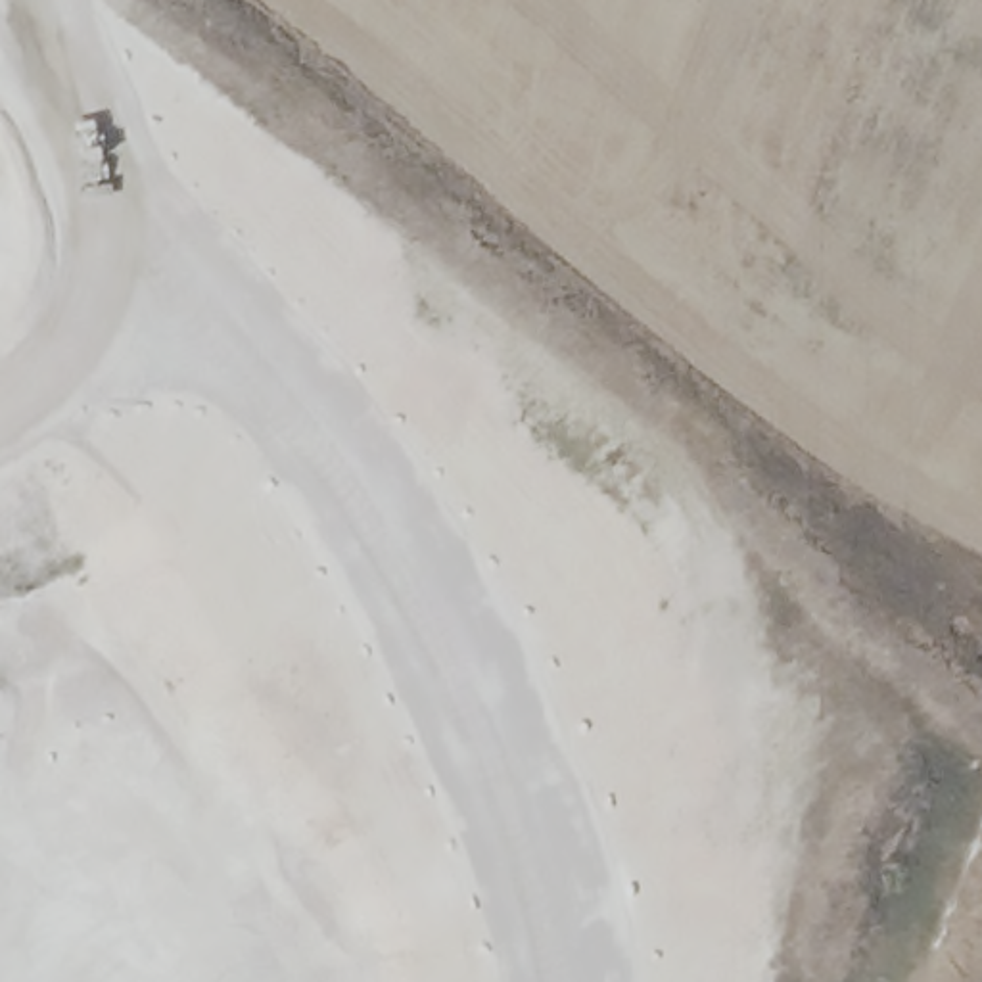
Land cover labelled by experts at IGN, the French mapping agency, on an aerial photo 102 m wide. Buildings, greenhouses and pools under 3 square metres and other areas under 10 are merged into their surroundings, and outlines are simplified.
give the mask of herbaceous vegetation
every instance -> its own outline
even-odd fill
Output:
[[[790,901],[779,921],[783,936],[775,951],[775,982],[982,982],[982,552],[928,526],[917,526],[913,514],[898,514],[890,522],[875,499],[867,499],[859,487],[840,483],[840,476],[825,460],[771,430],[717,380],[698,372],[683,357],[667,357],[660,349],[660,338],[644,322],[621,311],[587,272],[579,272],[552,246],[545,246],[503,203],[495,203],[472,173],[453,165],[433,142],[426,142],[407,123],[407,115],[399,115],[387,100],[380,100],[364,81],[349,73],[345,61],[322,54],[288,23],[272,19],[269,8],[257,0],[130,0],[127,23],[134,23],[142,35],[165,46],[176,61],[192,65],[211,88],[238,104],[276,142],[311,157],[334,184],[357,196],[384,222],[399,226],[407,242],[422,242],[430,253],[437,253],[445,269],[453,269],[506,318],[518,318],[533,341],[572,361],[572,368],[579,368],[595,387],[621,399],[644,426],[671,433],[687,449],[690,464],[702,468],[713,510],[733,518],[737,552],[744,556],[744,572],[756,583],[760,610],[767,618],[767,652],[775,656],[771,683],[790,687],[798,698],[821,698],[817,744],[809,748],[809,756],[817,760],[817,794],[802,813],[802,852],[790,882]]]

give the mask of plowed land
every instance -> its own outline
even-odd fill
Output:
[[[717,380],[771,430],[825,460],[840,476],[840,483],[859,487],[867,499],[875,499],[890,522],[898,514],[913,514],[917,526],[928,526],[982,552],[982,0],[257,0],[269,8],[272,19],[288,23],[322,54],[345,61],[349,73],[364,81],[380,100],[387,100],[399,115],[407,115],[407,123],[426,142],[433,142],[453,165],[472,173],[495,203],[503,203],[545,246],[552,246],[579,272],[587,272],[621,311],[644,322],[660,338],[660,349],[667,357],[683,357],[698,372]]]

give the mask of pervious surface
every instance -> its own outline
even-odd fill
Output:
[[[276,142],[238,104],[211,88],[192,65],[176,61],[165,46],[142,35],[134,23],[127,23],[130,0],[0,0],[0,982],[775,982],[775,951],[783,936],[779,921],[790,901],[790,882],[802,852],[802,813],[817,794],[817,760],[809,756],[809,748],[817,744],[821,698],[798,698],[790,687],[771,683],[775,656],[767,652],[767,618],[760,610],[756,583],[744,572],[744,556],[737,552],[733,518],[713,510],[702,468],[690,464],[687,449],[671,433],[644,426],[621,399],[595,387],[579,368],[572,368],[572,361],[533,341],[518,318],[506,318],[453,269],[445,269],[437,253],[430,253],[422,242],[407,242],[399,226],[384,222],[357,196],[334,184],[311,157]]]

